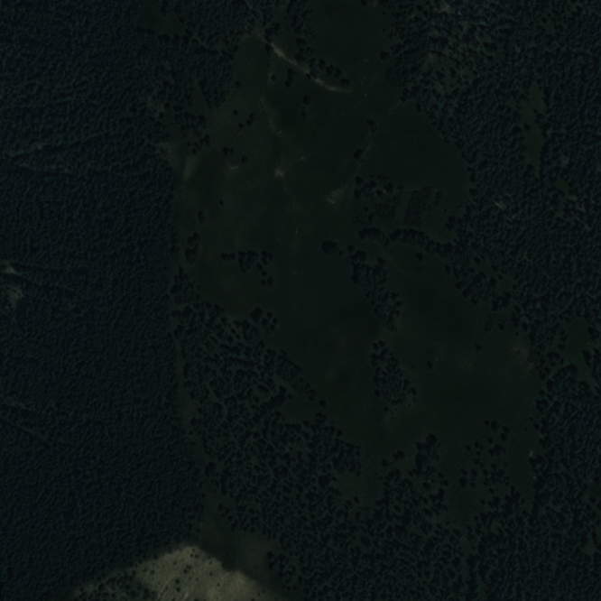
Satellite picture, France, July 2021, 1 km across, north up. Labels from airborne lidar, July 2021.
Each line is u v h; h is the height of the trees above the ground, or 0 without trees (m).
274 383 22
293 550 19
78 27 17
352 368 0
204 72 28
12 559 21
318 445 22
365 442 0
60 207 27
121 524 13
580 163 12
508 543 26
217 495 0
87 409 14
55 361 17
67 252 12
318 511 20
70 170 19
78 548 20
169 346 17
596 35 24
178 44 25
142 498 12
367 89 0
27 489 21
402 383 21
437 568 6
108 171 13
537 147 0
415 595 19
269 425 23
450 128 21
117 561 11
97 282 14
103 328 17
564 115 16
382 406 0
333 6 0
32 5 28
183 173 0
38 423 16
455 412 0
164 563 0
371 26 0
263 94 0
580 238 21
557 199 16
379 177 6
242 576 0
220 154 0
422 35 18
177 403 9
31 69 25
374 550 17
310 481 28
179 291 22
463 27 24
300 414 0
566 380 31
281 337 0
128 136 18
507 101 24
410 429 0
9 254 27
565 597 15
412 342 0
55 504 18
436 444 28
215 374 23
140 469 17
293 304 0
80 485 11
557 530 19
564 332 26
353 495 0
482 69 23
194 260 24
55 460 20
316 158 0
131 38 19
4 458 20
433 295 0
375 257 0
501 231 23
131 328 16
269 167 0
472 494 0
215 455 22
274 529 18
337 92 0
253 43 0
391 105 0
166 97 13
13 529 23
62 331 20
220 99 23
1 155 16
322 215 0
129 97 17
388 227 0
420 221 6
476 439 0
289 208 0
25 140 20
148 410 13
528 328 25
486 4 27
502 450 25
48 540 19
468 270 25
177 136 0
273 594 0
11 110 16
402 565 21
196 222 0
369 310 0
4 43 31
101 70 16
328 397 0
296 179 0
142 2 12
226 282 0
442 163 0
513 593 18
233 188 0
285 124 0
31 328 17
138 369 14
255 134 0
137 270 19
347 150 0
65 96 22
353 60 0
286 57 0
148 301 21
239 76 0
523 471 0
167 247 17
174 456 13
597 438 24
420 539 20
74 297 25
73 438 18
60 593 7
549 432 25
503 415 0
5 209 28
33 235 20
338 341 0
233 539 0
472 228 18
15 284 15
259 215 0
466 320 0
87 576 13
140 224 23
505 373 0
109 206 19
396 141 0
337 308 0
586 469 19
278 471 23
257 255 20
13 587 20
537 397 0
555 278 15
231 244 0
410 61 12
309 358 0
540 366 8
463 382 0
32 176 26
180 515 15
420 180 0
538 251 16
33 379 21
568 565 23
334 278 0
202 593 0
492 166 28
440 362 0
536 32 24
